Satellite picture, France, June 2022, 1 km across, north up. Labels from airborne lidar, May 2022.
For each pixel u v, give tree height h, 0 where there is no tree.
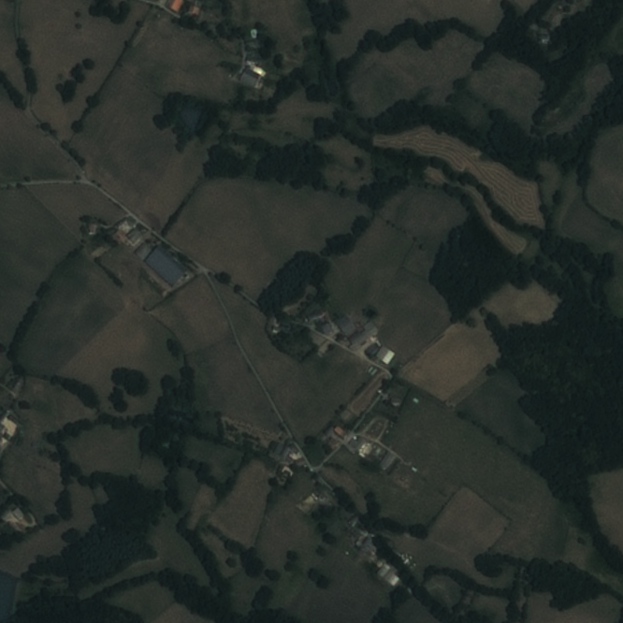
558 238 7
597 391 26
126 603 0
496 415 0
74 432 22
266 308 17
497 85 0
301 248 0
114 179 0
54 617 25
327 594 0
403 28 17
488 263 28
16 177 0
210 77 0
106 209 0
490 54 14
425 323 0
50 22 0
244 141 8
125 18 12
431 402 0
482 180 0
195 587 21
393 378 7
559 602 18
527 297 0
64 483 10
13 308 0
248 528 0
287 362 0
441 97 0
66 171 0
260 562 15
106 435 0
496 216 10
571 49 14
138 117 0
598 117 26
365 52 17
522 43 21
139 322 0
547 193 0
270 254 0
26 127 0
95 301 0
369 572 0
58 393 0
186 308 0
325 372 0
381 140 0
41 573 21
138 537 21
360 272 0
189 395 25
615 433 26
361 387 6
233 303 0
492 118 18
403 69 0
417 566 0
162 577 15
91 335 0
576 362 15
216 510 0
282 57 13
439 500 0
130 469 0
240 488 0
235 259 0
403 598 22
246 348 0
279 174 21
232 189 0
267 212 0
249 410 0
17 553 0
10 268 0
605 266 20
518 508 0
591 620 0
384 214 0
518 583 12
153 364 0
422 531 17
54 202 0
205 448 0
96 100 17
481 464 0
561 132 0
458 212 0
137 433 0
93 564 27
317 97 15
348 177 0
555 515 0
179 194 0
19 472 0
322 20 25
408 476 0
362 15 0
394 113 21
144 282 0
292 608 0
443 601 0
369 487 0
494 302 0
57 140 0
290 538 0
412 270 0
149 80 0
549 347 16
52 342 0
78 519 0
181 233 0
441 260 25
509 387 0
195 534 14
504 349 17
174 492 17
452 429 0
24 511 11
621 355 26
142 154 0
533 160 21
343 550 0
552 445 20
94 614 18
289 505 0
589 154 7
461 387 0
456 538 0
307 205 0
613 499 0
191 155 0
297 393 0
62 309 0
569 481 20
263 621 19
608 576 0
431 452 0
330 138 10
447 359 0
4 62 0
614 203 0
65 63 0
